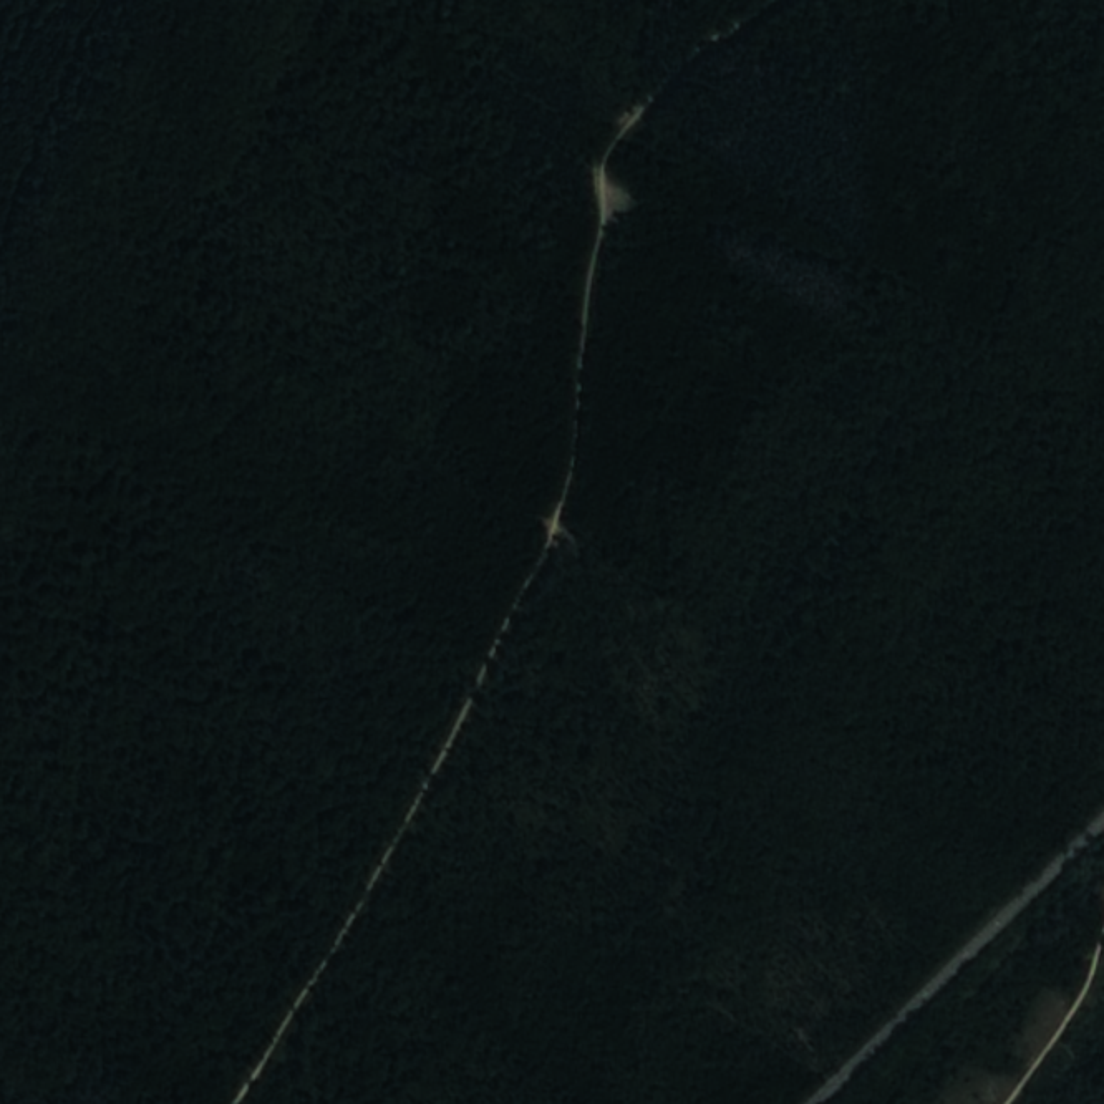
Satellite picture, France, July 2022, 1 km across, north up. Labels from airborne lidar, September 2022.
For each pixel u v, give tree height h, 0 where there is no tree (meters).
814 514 15
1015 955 8
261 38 15
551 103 13
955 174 16
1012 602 18
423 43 12
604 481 12
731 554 12
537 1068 17
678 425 7
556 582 16
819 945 16
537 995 13
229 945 12
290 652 17
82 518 11
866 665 19
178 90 22
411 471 16
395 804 15
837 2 13
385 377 13
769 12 23
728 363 10
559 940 8
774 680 18
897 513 17
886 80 15
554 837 17
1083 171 19
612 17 19
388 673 20
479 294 21
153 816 17
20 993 17
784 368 10
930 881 13
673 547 19
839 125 22
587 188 9
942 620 18
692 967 22
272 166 23
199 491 22
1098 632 17
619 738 21
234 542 26
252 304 17
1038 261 19
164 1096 18
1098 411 12
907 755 15
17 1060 21
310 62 9
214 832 24
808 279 24
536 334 13
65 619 10
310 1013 19
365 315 16
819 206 20
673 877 20
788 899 13
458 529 17
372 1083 22
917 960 15
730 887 14
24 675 26
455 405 9
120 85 15
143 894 22
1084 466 15
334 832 17
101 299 16
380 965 18
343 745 19
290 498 22
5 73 27
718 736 21
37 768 18
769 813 18
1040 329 19
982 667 13
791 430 15
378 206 22
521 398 15
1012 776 15
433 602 19
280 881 10
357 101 20
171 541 20
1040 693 14
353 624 23
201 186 24
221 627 22
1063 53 11
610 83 19
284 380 18
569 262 10
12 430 18
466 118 21
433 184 19
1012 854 15
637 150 16
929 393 15
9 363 16
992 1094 0
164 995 18
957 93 17
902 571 14
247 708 15
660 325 12
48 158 20
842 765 13
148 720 19
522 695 19
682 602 14
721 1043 10
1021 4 15
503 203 8
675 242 8
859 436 17
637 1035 15
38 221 16
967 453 19
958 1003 8
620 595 14
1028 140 17
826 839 14
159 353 20
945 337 18
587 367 12
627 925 21
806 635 19
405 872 8
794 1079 12
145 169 21
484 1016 12
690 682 14
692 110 22
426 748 17
